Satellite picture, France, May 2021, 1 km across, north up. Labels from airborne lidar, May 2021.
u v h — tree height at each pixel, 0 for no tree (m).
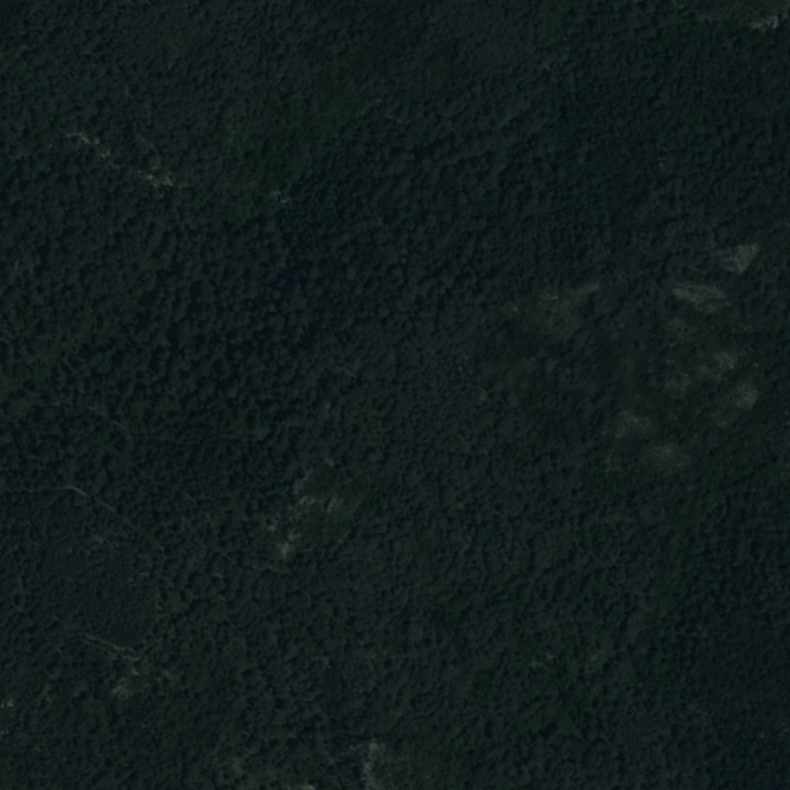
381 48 16
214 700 15
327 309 22
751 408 7
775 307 20
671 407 16
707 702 7
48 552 19
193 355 30
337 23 22
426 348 35
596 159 11
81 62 30
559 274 12
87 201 31
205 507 25
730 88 12
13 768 6
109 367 23
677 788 29
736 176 16
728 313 17
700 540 26
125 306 35
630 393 6
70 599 24
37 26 30
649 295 28
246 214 16
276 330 32
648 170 14
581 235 17
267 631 37
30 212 36
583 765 23
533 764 37
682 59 11
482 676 21
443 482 29
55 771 21
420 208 18
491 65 30
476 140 45
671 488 21
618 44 20
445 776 10
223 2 26
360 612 38
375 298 13
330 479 11
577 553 25
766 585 15
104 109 33
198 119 27
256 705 35
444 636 26
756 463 8
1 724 10
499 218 25
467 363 29
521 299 7
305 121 12
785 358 10
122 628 12
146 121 34
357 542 25
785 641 13
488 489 27
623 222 13
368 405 26
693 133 17
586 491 16
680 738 24
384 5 13
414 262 31
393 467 37
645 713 29
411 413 28
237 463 18
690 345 9
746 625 8
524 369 6
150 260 31
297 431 18
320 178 12
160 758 11
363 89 26
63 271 42
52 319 8
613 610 29
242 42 24
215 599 35
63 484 20
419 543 12
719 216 7
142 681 13
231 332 21
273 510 20
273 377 29
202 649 13
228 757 17
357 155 6
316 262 18
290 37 31
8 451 37
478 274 7
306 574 35
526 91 20
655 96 5
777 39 11
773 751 11
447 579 31
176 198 28
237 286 39
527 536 30
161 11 31
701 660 22
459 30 31
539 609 34
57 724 20
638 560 35
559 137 21
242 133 20
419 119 17
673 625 19
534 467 23
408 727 28
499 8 33
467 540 7
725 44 17
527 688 28
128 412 13
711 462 12
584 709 16
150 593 15
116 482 26
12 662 22
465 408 30
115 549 20
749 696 7
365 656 27
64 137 19
